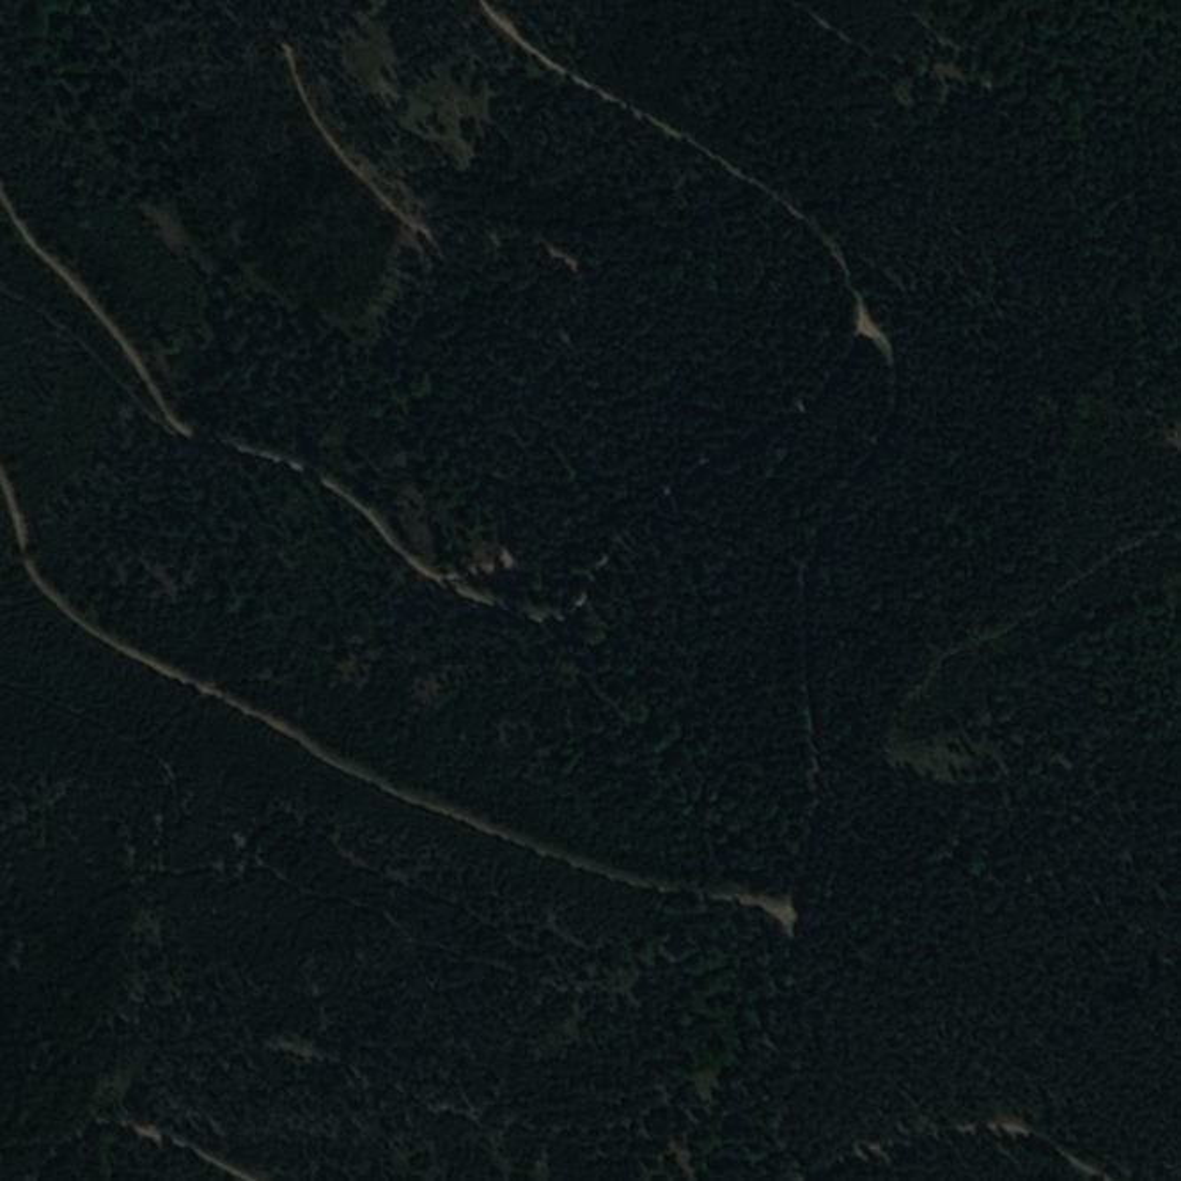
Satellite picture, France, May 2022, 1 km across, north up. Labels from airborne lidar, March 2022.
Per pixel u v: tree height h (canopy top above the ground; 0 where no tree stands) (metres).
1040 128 22
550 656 19
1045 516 22
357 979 9
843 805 23
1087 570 8
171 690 10
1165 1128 29
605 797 11
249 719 8
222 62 14
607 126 33
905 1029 30
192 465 10
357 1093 30
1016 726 12
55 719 11
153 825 7
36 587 7
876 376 25
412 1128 34
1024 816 25
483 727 10
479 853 8
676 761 34
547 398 29
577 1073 11
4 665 8
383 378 26
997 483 29
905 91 0
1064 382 25
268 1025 11
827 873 24
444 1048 29
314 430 8
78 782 9
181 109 20
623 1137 11
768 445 26
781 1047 35
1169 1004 20
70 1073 13
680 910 10
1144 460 6
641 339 22
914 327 25
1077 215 26
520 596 32
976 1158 32
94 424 6
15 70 38
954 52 10
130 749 7
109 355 16
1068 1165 28
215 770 8
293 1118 30
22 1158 17
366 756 7
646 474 20
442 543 30
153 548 11
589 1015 10
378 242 8
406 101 7
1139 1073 29
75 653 8
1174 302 20
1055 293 22
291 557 31
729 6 19
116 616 10
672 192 32
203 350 7
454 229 26
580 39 29
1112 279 21
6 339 6
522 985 11
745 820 24
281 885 10
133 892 9
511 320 34
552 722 11
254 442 30
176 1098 28
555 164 33
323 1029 12
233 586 7
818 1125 36
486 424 33
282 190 9
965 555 16
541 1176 0
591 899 8
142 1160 29
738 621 23
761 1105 34
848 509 21
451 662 9
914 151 16
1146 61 28
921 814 27
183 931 9
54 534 7
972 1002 33
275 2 28
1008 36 13
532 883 11
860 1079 25
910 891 30
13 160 8
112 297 6
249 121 7
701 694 25
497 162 8
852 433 30
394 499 8
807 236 24
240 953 11
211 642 9
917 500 25
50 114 8
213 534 7
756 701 22
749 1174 38
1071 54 24
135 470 34
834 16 16
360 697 9
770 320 28
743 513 27
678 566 26
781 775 25
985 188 24
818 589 20
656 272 17
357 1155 6
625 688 37
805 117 15
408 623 32
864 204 20
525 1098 13
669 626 21
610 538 26
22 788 9
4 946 19
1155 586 7
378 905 13
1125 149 24
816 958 28
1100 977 26
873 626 20
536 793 7
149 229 6
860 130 14
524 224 26
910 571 24
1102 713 24
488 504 33
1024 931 28
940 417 19
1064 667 26
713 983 21
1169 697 23
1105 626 26
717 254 26
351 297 8
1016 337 23
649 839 14
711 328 23
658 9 20
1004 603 22
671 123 10
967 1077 28
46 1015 17
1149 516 6
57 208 7
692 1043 19
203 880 11
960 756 18
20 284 9
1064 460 16
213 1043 32
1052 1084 30
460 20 30
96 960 15
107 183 6
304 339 13
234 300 33
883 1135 29
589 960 9
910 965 31
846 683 22
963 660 7
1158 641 23
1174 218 24
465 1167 10
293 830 9
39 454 7
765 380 26
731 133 18
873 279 20
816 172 15
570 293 26
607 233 23
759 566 24
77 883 19
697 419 32
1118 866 29
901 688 22
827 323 27
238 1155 14
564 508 17
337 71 30
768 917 7
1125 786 11
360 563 10
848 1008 35
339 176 11
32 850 16
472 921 9
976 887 30
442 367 32
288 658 9
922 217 25
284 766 9
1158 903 24
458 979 27
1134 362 20
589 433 25
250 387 10
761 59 20
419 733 6
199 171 23
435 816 7
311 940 12
